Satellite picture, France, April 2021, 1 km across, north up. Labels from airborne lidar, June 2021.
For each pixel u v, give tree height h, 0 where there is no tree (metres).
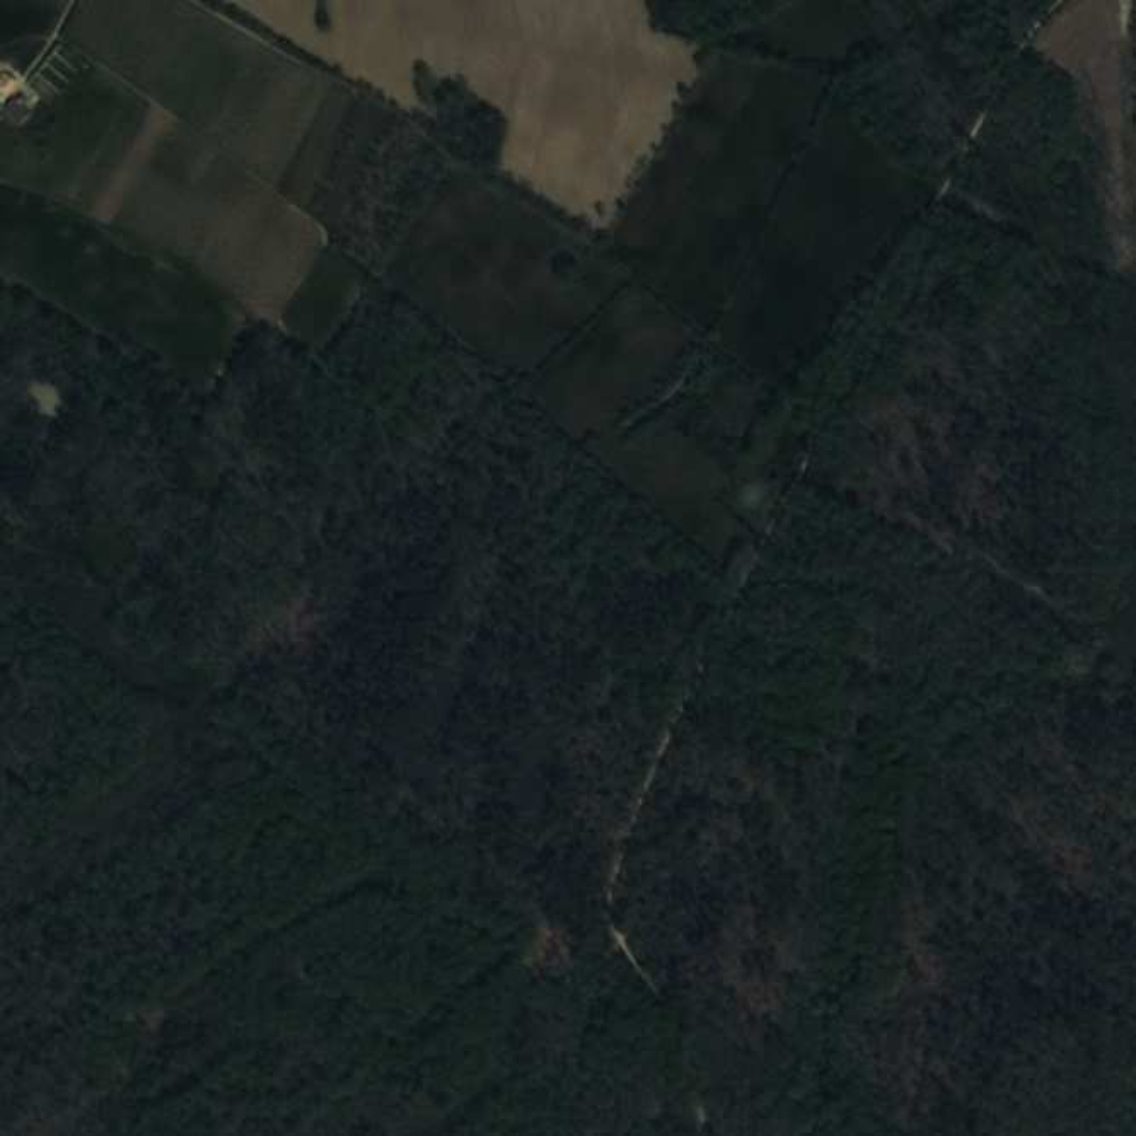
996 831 21
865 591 16
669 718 13
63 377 10
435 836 6
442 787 9
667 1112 15
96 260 0
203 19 0
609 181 0
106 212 0
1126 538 15
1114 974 8
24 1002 12
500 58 0
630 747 20
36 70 0
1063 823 21
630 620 27
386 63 0
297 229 0
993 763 14
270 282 0
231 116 0
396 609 18
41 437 17
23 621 23
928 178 20
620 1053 22
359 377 19
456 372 18
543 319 0
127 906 22
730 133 0
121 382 21
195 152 0
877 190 0
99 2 0
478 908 24
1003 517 10
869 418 21
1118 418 13
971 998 9
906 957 18
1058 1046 16
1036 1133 17
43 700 23
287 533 21
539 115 0
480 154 15
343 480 19
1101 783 17
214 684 11
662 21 9
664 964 9
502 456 23
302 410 17
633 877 14
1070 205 19
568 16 0
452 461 9
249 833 21
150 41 0
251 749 11
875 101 24
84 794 25
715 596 19
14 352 8
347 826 27
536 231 0
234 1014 19
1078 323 18
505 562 12
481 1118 21
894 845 24
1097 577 22
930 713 22
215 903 26
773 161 0
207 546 25
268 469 15
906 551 23
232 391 18
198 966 27
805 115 0
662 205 0
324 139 0
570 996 25
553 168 0
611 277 0
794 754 21
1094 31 0
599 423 0
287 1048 11
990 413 11
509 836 18
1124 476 20
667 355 0
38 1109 15
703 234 0
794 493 17
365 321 10
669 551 24
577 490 20
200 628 21
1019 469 7
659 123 0
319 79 0
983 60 25
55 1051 18
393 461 11
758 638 18
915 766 20
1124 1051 15
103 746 23
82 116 0
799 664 22
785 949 14
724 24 23
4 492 20
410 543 11
